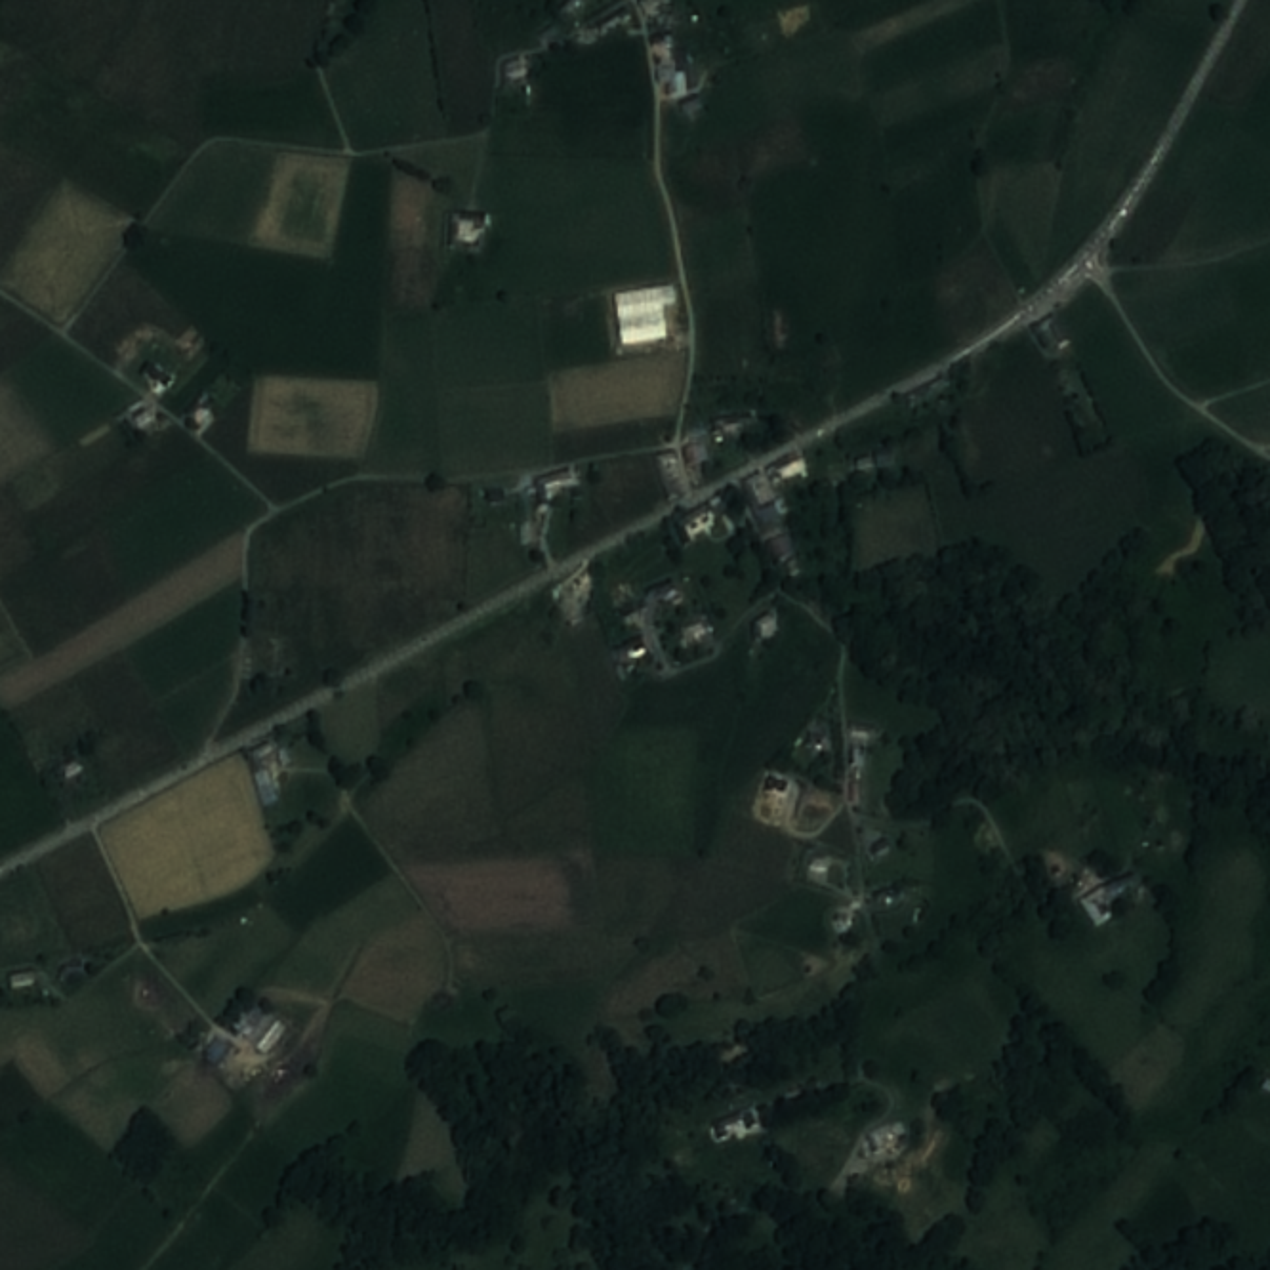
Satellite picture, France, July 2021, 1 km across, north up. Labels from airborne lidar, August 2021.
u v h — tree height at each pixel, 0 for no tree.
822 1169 0
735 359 0
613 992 0
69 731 0
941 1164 0
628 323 0
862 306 0
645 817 0
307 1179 23
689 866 0
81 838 0
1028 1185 14
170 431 0
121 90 0
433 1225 21
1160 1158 0
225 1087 0
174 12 0
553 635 0
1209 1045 0
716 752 0
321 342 0
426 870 0
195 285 0
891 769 0
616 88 0
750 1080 24
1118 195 0
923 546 0
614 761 0
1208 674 10
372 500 0
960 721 21
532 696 0
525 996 0
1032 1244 0
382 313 0
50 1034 0
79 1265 0
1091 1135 10
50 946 0
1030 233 0
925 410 8
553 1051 9
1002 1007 0
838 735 5
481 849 0
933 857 0
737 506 14
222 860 0
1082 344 0
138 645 0
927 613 23
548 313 0
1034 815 0
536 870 0
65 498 0
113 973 0
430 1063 24
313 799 0
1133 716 19
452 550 0
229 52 0
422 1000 0
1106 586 14
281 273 0
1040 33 0
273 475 0
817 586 11
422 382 0
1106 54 0
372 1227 25
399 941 0
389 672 0
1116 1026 0
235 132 0
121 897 0
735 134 0
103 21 0
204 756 0
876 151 0
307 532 0
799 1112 22
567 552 0
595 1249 23
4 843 0
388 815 0
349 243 0
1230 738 0
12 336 0
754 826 0
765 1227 0
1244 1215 0
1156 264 0
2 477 0
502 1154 27
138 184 0
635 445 0
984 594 28
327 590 0
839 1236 24
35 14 0
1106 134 0
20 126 0
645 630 0
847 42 0
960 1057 0
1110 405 0
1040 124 0
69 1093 0
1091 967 0
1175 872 0
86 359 0
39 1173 0
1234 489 23
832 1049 15
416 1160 0
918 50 0
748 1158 0
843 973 0
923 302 0
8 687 0
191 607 0
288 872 8
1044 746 24
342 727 0
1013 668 27
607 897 0
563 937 0
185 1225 0
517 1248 16
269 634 0
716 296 0
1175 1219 0
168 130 0
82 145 0
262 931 0
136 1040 0
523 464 0
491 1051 18
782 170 0
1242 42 0
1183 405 0
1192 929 0
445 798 0
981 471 0
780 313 0
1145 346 0
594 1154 21
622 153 0
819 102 0
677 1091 23
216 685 0
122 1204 0
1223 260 0
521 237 0
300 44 0
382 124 0
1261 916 0
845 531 8
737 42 0
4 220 0
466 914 0
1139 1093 0
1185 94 0
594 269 0
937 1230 13
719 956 0
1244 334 0
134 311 0
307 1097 0
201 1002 0
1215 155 0
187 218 0
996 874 10
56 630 0
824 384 0
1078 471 0
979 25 0
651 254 0
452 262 0
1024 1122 20
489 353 0
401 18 0
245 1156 0
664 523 7
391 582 0
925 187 0
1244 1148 0
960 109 0
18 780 0
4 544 0
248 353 0
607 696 0
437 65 9
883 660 23
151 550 0
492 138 0
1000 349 7
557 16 7
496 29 0
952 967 0
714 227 0
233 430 0
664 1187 23
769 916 0
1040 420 0
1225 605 0
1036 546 0
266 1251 0
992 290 0
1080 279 0
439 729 0
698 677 0
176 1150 19
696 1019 0
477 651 0
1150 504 0
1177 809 0
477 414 0
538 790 0
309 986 0
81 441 0
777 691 0
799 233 0
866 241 0
